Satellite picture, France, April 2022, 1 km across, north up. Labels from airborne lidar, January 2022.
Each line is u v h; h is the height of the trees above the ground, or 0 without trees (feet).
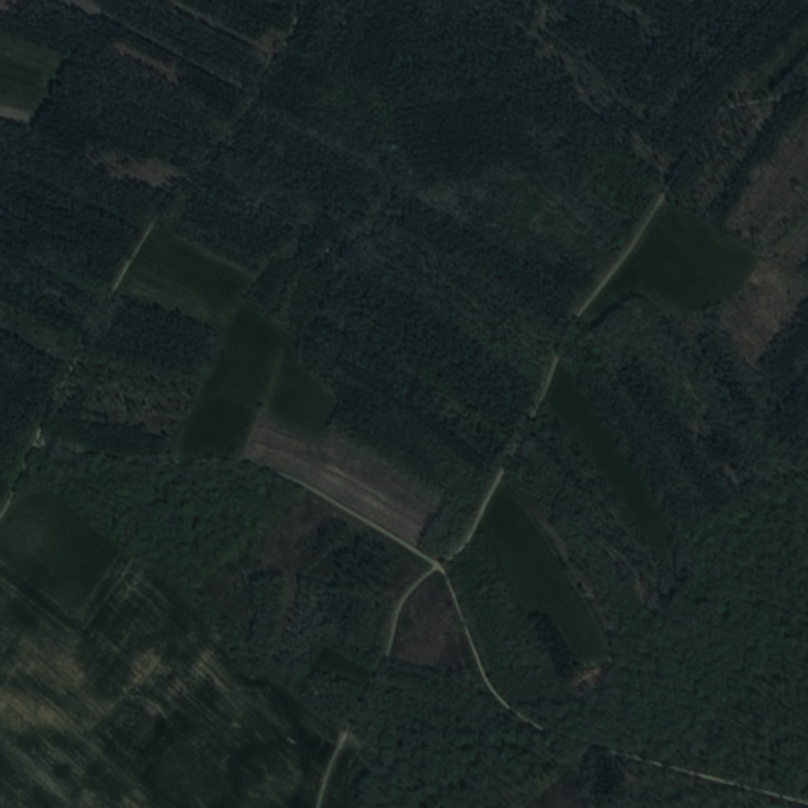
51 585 0
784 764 68
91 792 0
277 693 0
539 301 84
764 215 0
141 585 0
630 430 62
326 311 58
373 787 77
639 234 0
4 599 0
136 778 0
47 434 25
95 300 51
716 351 55
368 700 50
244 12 63
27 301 52
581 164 77
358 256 67
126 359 70
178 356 65
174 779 0
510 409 83
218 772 0
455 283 69
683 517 68
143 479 70
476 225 29
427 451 37
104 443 39
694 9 87
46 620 0
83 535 0
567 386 0
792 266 0
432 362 78
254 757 0
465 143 66
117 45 87
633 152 69
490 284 68
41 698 0
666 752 72
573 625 0
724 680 68
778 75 0
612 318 59
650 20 88
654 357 89
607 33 89
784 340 39
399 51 67
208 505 73
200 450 0
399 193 70
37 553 0
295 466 0
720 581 86
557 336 63
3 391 53
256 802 0
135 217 73
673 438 88
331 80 46
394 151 52
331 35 59
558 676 24
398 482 0
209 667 0
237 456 57
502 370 79
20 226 66
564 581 0
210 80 68
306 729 0
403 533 0
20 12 68
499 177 41
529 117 73
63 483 82
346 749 0
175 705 0
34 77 0
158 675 0
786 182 0
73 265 58
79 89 68
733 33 72
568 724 68
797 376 48
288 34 55
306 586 70
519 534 0
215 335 49
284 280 29
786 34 68
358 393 47
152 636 0
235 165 62
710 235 0
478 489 46
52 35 72
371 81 59
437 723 65
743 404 63
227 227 74
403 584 0
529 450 84
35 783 0
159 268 0
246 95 46
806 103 72
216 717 0
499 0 92
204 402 0
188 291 0
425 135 59
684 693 64
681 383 86
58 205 63
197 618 0
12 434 69
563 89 77
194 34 63
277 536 0
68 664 0
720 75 76
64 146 68
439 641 0
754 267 0
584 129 92
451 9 64
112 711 0
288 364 0
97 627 0
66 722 0
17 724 0
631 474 0
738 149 84
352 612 50
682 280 0
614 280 0
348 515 0
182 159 70
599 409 61
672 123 51
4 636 0
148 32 65
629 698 80
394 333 82
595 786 81
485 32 80
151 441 35
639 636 84
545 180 73
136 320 74
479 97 72
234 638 57
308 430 0
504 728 55
